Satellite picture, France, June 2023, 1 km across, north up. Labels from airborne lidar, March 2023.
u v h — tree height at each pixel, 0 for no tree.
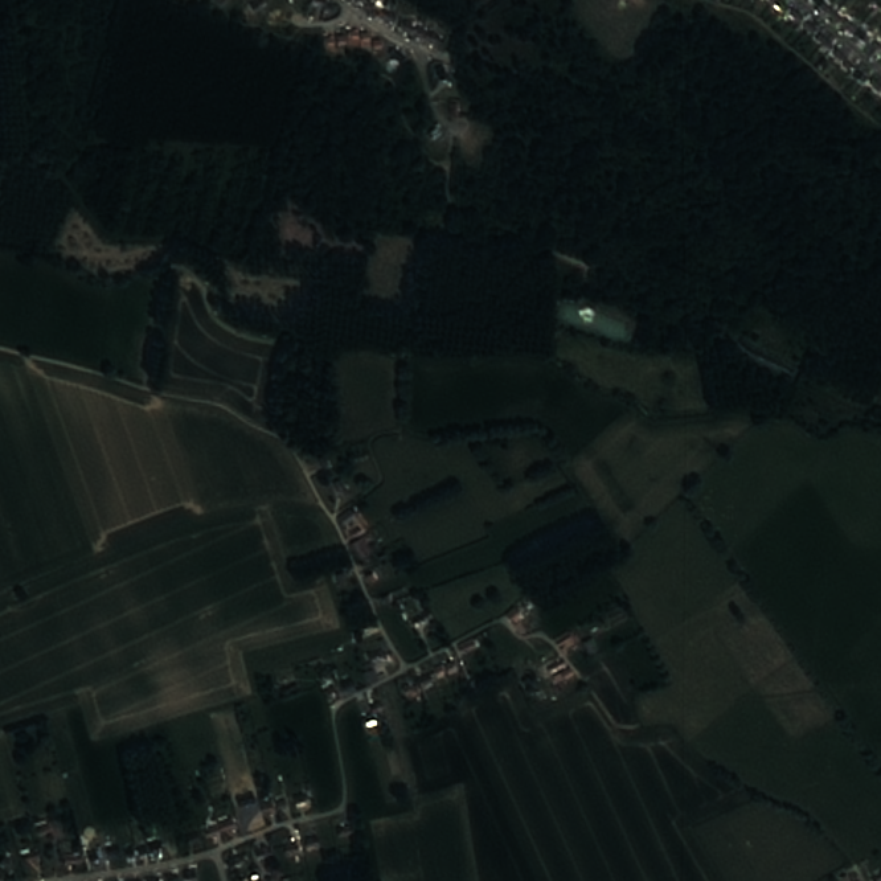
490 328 30
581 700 0
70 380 0
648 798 0
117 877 0
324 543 0
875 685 0
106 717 0
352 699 0
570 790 0
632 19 0
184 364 0
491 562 0
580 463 0
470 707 0
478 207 6
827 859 0
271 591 0
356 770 0
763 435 0
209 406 0
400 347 10
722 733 0
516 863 0
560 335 0
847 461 0
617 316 0
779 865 0
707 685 0
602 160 7
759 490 0
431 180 8
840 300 29
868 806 0
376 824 0
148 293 0
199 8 10
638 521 0
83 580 0
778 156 7
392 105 15
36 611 0
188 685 0
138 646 0
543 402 0
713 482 0
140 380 0
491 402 0
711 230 14
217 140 7
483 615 0
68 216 24
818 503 0
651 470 0
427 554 0
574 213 12
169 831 0
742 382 24
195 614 0
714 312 8
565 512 0
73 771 0
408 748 0
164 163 7
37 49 11
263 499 0
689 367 0
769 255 14
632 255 6
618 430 0
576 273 7
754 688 0
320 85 22
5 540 0
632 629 0
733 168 8
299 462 0
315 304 25
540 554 35
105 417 0
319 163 16
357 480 11
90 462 0
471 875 0
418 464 0
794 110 15
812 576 0
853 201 8
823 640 0
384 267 0
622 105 7
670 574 0
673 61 14
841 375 30
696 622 0
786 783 0
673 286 7
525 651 0
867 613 0
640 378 0
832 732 0
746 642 0
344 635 0
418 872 0
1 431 0
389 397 0
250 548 0
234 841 0
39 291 0
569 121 17
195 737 0
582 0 0
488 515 0
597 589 0
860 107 0
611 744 0
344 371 0
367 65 12
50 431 0
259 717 0
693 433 0
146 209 13
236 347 0
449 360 0
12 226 21
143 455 0
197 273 6
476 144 0
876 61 0
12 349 0
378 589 0
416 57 0
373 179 21
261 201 17
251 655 0
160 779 30
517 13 0
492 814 0
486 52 11
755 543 0
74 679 0
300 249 20
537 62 0
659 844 0
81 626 0
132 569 0
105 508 0
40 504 0
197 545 0
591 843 0
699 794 0
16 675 0
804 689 0
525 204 13
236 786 0
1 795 0
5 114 26
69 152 5
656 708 0
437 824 0
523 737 0
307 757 0
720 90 17
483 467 13
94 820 0
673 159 7
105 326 0
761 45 8
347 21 0
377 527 0
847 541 0
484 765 0
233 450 0
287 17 0
